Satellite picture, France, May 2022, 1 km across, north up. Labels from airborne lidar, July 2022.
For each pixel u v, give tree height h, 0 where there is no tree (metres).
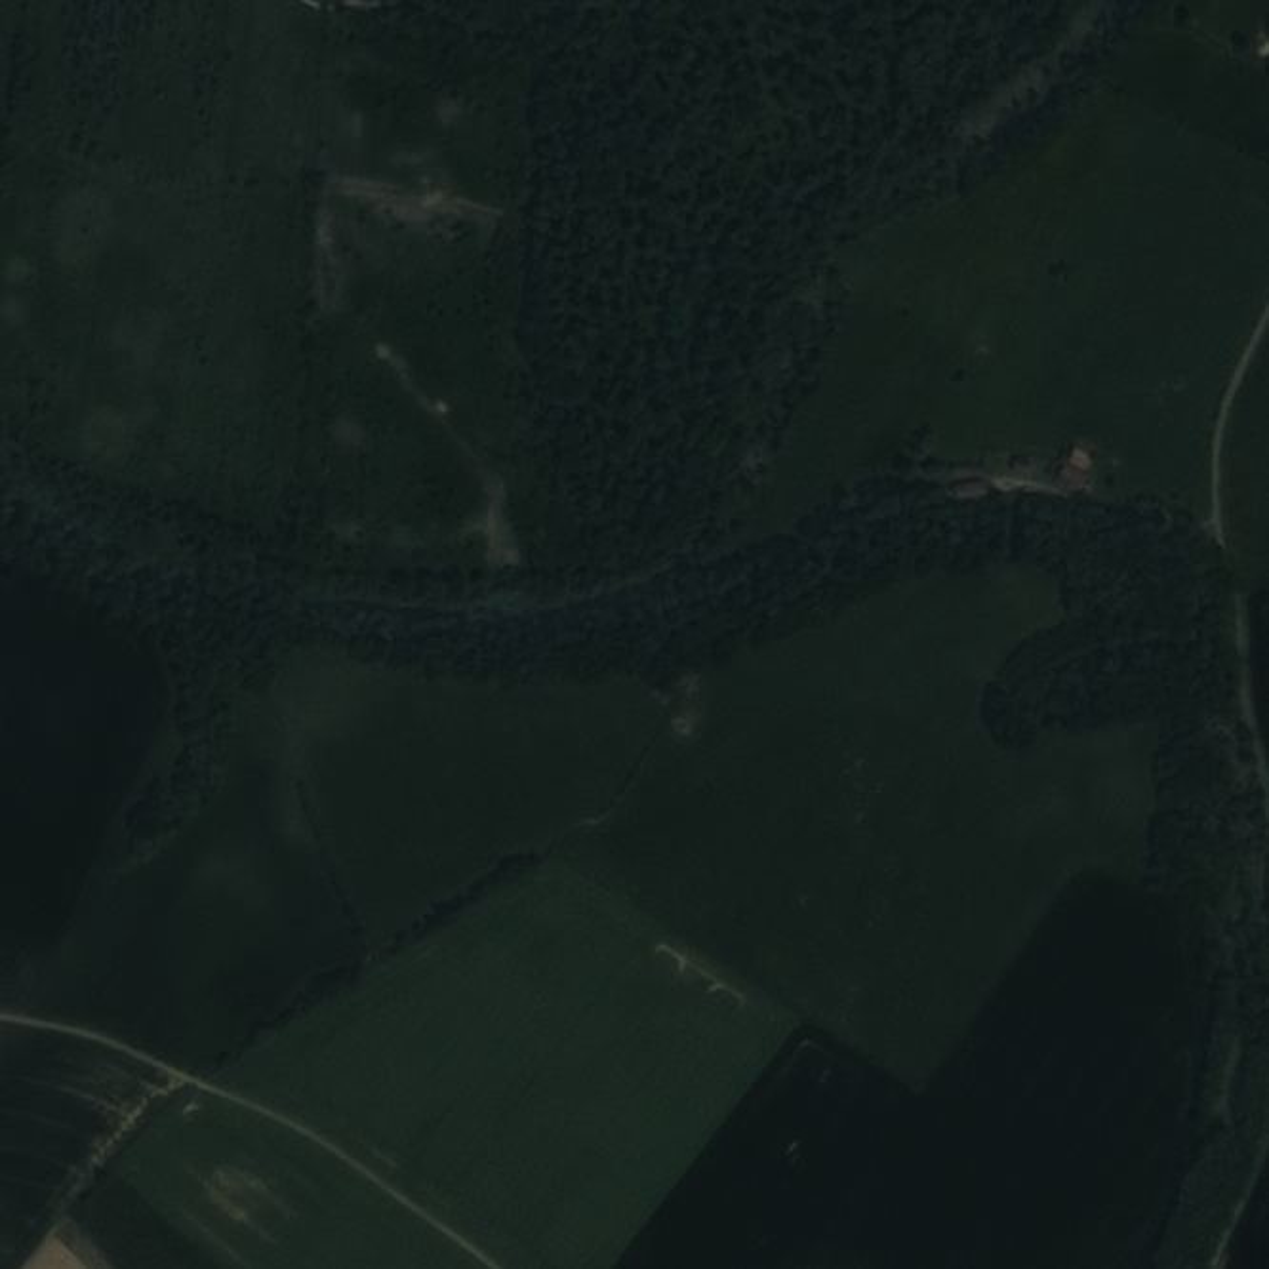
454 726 0
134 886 0
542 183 23
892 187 7
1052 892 0
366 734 0
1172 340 0
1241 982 19
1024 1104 0
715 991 0
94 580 13
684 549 17
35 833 0
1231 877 17
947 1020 0
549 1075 0
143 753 0
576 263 26
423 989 0
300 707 0
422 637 26
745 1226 0
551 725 0
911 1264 0
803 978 0
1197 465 0
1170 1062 0
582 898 0
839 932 0
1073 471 0
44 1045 0
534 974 0
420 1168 0
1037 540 19
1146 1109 0
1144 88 0
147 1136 0
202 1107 0
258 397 0
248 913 0
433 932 13
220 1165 0
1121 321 0
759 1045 0
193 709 15
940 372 0
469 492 0
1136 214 0
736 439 25
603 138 31
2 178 7
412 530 0
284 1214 0
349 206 0
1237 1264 0
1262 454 0
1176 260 0
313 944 0
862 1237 0
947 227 0
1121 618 25
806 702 0
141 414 0
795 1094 0
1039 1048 0
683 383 29
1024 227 0
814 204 24
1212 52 0
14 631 0
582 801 0
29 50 8
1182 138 0
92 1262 0
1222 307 0
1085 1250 0
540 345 25
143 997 0
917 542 24
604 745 0
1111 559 25
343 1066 0
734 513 5
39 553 24
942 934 0
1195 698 24
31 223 0
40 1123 0
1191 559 20
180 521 25
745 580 18
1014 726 26
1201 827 23
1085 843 0
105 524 7
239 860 0
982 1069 0
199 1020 0
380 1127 0
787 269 24
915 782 0
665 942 0
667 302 28
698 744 0
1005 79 9
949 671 0
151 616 24
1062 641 10
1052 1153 0
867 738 0
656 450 17
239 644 24
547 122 25
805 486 0
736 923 0
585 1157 0
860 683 0
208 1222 0
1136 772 0
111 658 0
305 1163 0
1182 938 0
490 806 0
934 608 0
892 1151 0
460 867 0
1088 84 22
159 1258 0
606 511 20
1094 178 0
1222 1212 22
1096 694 24
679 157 21
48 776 0
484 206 0
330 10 11
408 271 0
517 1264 0
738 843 0
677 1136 0
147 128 0
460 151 0
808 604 29
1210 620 18
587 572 16
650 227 27
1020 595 0
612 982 0
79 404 0
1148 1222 0
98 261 0
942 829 0
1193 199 0
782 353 9
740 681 0
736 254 32
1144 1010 0
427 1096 0
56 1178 0
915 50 14
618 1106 0
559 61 23
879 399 0
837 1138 0
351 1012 0
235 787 0
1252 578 0
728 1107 0
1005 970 0
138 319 0
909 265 0
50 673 0
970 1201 0
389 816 0
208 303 0
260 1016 0
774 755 0
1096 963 0
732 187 8
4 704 0
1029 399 0
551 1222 0
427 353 0
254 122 0
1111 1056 0
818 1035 0
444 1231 0
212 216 0
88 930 0
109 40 18
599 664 20
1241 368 0
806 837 0
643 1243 0
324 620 22
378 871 0
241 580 19
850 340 0
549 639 26
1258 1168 17
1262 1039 18
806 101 32
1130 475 0
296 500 17
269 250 0
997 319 0
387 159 0
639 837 0
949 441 0
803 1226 0
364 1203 0
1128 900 0
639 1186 0
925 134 9
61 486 11
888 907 0
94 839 0
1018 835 0
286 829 0
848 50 25
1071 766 0
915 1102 0
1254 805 17
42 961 0
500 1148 0
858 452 0
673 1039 0
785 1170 0
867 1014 0
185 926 0
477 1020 0
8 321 0
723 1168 0
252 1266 0
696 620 24
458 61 25
